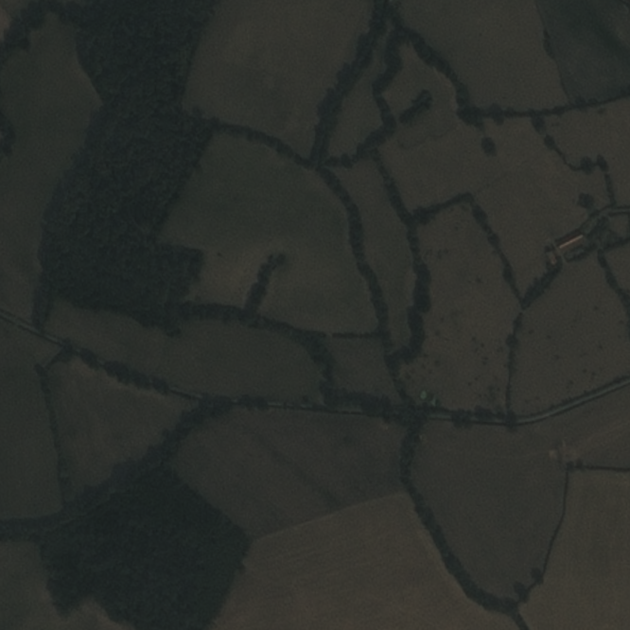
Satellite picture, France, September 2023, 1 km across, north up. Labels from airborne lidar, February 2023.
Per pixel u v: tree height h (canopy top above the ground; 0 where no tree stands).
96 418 0
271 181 0
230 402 11
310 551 0
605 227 6
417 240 13
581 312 0
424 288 17
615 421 0
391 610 0
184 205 0
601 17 0
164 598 25
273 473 0
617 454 0
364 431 0
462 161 0
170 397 0
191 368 0
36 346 0
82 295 21
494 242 11
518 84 0
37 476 0
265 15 0
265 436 0
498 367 0
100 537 17
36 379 0
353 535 0
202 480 0
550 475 0
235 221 0
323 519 0
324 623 0
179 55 24
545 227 0
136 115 17
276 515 0
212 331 0
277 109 0
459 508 0
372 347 0
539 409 0
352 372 0
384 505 0
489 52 0
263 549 0
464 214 0
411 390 0
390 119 18
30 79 0
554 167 0
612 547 0
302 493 0
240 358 0
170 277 20
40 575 0
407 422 13
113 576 16
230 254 0
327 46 0
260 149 0
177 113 22
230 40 0
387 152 0
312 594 0
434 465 0
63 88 0
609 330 0
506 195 0
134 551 8
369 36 7
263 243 0
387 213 0
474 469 0
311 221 0
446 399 0
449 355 0
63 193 17
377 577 0
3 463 0
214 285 0
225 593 10
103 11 22
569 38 0
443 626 0
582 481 0
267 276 11
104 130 18
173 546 11
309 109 0
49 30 0
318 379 0
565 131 0
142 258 25
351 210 15
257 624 0
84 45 25
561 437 0
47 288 20
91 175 24
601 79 0
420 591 0
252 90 0
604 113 0
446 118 0
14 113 0
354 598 0
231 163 0
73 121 0
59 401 0
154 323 17
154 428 0
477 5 0
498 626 0
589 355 0
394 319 0
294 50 0
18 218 0
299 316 0
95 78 22
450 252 0
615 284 12
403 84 0
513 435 0
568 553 0
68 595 8
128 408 0
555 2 0
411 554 0
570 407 0
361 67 6
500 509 0
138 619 7
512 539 0
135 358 0
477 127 13
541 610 0
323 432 0
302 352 0
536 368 0
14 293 0
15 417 0
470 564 0
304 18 0
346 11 0
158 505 12
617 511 0
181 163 12
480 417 15
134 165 22
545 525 0
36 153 0
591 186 0
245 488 0
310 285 0
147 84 21
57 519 12
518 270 0
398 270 0
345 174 0
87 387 0
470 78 0
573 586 0
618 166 0
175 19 23
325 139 9
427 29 0
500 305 0
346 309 0
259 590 0
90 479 0
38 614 0
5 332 0
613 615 0
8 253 0
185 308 10
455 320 0
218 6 0
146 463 10
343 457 0
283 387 0
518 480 0
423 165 0
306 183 0
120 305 15
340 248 0
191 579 23
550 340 0
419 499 11
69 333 0
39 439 0
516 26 0
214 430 0
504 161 0
